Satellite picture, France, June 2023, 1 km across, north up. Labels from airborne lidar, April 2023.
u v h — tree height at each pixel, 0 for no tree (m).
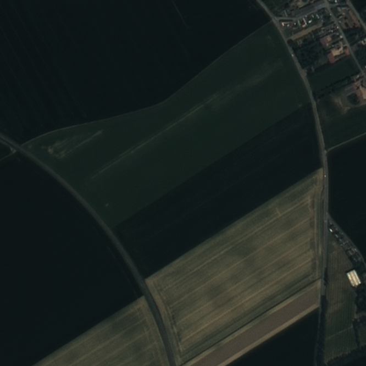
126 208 0
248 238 0
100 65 0
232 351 0
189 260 0
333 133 0
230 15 0
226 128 0
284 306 0
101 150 0
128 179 0
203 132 0
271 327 0
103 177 0
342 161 0
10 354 0
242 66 0
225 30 0
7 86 0
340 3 11
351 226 0
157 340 0
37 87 0
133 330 0
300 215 0
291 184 0
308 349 0
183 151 0
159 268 0
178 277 0
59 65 0
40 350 0
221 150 0
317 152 0
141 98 0
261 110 0
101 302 0
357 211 0
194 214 0
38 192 0
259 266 0
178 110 0
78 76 0
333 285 0
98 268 0
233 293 0
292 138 0
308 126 0
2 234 0
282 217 0
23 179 0
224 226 0
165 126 0
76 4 0
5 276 0
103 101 0
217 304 0
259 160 0
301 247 0
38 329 0
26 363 0
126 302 0
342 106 0
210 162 0
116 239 0
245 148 0
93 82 0
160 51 0
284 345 0
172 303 0
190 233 0
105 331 0
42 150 0
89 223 0
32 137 0
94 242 0
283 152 0
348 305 0
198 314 0
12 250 0
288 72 0
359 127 0
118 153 0
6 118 0
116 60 0
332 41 0
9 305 0
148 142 0
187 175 0
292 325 0
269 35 0
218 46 0
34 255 0
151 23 0
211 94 0
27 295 0
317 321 0
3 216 0
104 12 0
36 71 0
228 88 0
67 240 0
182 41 0
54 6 0
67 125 0
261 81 0
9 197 0
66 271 0
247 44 0
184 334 0
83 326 0
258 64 0
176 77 0
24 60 0
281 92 0
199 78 0
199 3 0
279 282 0
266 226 0
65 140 0
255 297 0
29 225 0
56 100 0
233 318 0
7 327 0
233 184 0
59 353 0
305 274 0
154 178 0
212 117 0
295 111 0
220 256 0
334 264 0
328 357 0
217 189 0
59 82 0
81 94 0
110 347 0
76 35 0
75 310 0
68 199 0
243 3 0
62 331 0
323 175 0
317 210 0
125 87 0
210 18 0
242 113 0
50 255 0
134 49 0
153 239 0
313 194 0
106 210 0
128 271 0
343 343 0
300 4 0
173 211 0
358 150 0
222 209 0
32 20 0
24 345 0
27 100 0
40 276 0
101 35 0
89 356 0
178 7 0
